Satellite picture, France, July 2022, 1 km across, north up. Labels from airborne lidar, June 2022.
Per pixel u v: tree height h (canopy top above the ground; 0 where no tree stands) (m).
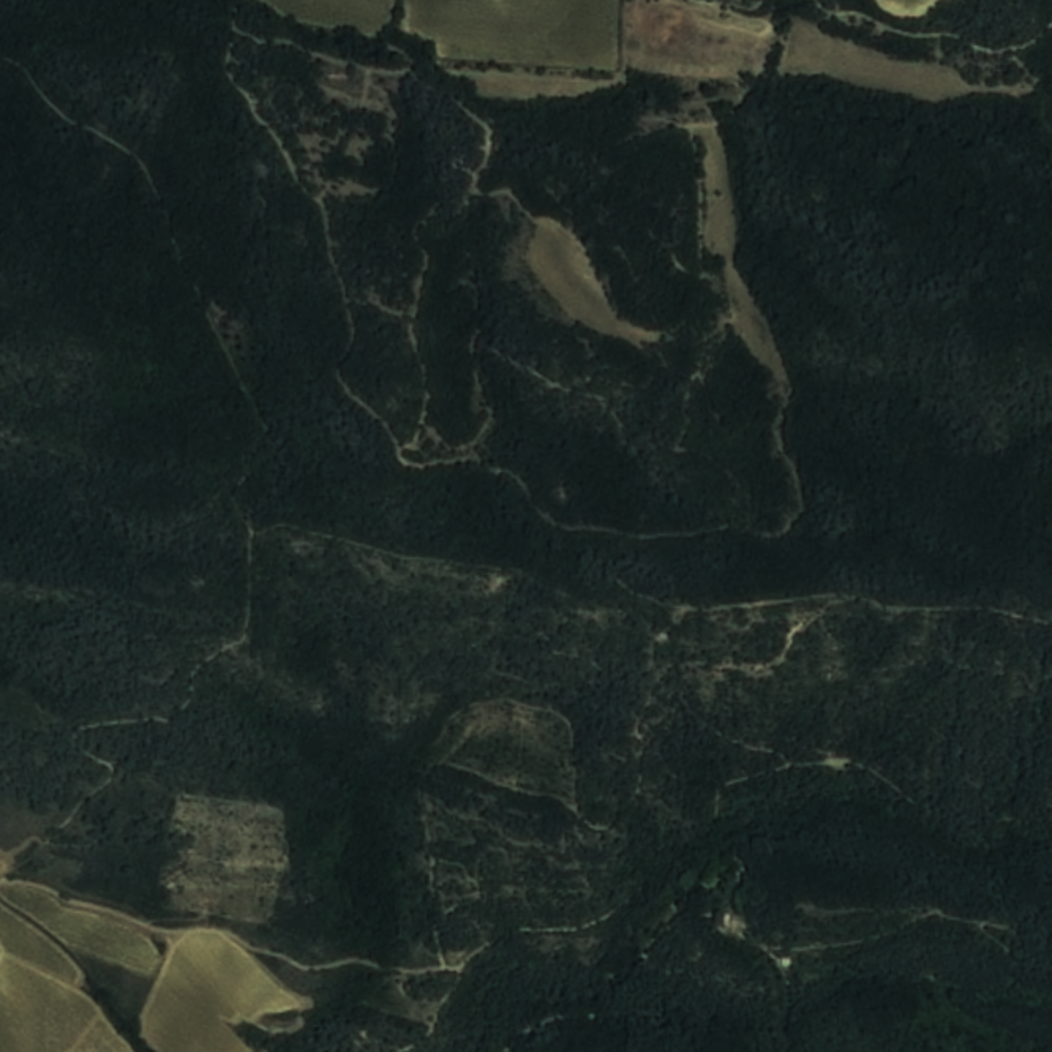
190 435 8
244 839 0
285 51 11
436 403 8
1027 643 14
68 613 8
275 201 9
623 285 6
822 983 12
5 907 0
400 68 6
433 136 11
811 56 0
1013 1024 18
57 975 0
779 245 7
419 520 6
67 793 11
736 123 7
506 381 8
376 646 8
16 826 0
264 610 8
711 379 9
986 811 12
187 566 9
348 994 6
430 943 8
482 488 8
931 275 7
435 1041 10
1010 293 11
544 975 12
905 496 7
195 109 10
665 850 9
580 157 13
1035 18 6
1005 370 6
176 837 13
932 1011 6
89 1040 0
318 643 9
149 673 11
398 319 6
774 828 12
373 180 8
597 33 0
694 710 8
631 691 13
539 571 7
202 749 10
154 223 10
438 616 7
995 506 8
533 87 0
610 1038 11
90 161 9
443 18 0
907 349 5
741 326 0
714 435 10
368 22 0
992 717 13
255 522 8
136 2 11
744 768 6
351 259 6
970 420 8
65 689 11
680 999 12
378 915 9
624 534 5
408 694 10
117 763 6
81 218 10
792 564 7
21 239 9
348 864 10
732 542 8
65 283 9
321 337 9
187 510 9
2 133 6
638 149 7
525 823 7
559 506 6
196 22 9
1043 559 9
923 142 20
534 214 7
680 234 9
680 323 6
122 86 6
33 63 6
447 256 8
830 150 11
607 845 10
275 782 8
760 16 8
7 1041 0
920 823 11
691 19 0
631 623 6
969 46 10
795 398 7
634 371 6
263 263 7
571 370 6
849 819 10
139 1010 0
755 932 10
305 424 8
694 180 7
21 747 8
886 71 0
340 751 7
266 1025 0
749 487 7
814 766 6
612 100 6
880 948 12
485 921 11
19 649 13
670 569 6
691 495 7
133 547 6
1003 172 13
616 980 8
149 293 9
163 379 9
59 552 12
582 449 9
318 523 8
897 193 16
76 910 0
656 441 6
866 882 10
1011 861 18
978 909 15
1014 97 10
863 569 7
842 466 14
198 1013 0
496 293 12
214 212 10
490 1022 13
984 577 7
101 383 8
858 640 11
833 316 8
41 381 7
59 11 9
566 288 0
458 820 8
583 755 11
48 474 7
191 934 0
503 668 11
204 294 8
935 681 9
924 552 11
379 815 12
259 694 10
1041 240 7
